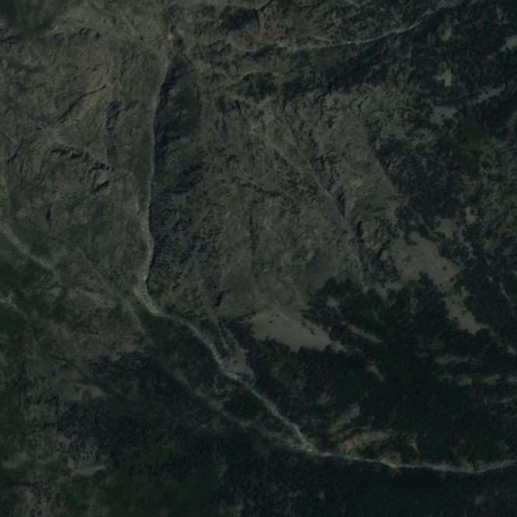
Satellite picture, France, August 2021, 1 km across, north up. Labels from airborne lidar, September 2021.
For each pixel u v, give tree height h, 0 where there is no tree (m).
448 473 7
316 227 0
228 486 9
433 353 11
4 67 0
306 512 11
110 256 0
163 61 0
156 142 0
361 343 14
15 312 0
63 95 0
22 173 0
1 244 0
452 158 0
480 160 9
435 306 11
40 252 0
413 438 7
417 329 12
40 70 0
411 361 11
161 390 9
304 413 9
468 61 6
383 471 8
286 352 9
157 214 0
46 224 0
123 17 0
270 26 6
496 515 8
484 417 13
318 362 13
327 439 12
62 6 0
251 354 11
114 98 0
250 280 0
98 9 0
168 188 0
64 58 0
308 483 10
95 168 0
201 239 8
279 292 0
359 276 0
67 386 0
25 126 0
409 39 6
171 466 10
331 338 6
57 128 0
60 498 0
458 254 7
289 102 6
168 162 0
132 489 0
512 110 10
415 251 0
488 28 12
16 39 0
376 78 11
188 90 0
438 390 12
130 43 0
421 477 14
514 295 9
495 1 7
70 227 0
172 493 0
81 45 0
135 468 8
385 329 7
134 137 0
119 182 0
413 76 9
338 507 9
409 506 17
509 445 15
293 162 0
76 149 0
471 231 7
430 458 7
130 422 9
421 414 12
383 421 13
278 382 8
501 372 9
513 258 10
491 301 6
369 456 10
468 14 9
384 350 9
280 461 8
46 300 0
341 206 0
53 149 0
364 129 0
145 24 0
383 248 6
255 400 8
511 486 7
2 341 0
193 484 0
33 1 0
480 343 15
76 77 0
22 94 0
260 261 0
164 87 0
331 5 6
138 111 0
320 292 11
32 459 0
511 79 9
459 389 14
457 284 6
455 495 11
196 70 0
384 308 8
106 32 0
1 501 0
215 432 5
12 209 0
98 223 0
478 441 10
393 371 8
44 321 0
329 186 0
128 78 0
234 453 13
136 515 0
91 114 0
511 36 6
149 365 7
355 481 17
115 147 0
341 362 9
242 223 0
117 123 0
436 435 9
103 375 7
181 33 0
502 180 8
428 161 8
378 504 18
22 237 0
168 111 0
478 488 8
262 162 6
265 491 6
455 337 10
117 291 0
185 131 0
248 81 10
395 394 15
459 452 10
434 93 10
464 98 8
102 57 0
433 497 16
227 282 0
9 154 0
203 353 6
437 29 7
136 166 0
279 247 0
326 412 12
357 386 11
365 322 8
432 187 6
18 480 0
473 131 0
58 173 0
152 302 0
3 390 0
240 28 6
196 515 0
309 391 8
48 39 0
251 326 8
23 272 0
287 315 0
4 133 0
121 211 0
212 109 0
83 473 0
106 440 11
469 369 11
